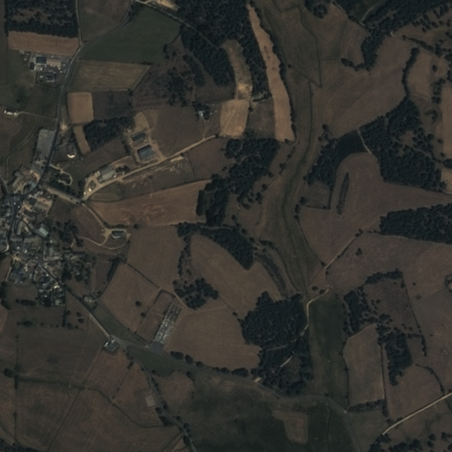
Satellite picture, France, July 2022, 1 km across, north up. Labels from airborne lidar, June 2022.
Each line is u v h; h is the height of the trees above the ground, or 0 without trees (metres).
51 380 0
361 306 14
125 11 0
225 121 0
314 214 0
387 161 19
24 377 0
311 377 14
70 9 15
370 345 0
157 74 0
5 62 0
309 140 0
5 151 0
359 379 0
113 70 0
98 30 0
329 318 0
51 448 0
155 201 0
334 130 0
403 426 0
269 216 0
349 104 0
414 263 0
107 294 0
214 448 0
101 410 0
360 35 0
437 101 10
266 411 0
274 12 0
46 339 0
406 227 15
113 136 15
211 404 0
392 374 12
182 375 0
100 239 0
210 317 0
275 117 0
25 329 0
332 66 0
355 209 0
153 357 0
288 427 0
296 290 0
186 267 0
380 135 16
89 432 0
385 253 0
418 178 18
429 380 0
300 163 0
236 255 14
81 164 0
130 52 0
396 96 0
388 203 0
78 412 0
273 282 0
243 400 0
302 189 0
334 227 0
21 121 0
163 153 0
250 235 0
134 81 0
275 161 0
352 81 0
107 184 0
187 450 0
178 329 0
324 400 0
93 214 0
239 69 0
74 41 0
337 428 0
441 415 0
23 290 0
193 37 8
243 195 16
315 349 0
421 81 0
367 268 0
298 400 0
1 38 0
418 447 20
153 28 0
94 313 0
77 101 0
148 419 0
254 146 19
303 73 0
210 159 0
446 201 0
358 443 0
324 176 15
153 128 0
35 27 14
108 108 0
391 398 0
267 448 0
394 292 0
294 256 0
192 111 0
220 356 0
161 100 0
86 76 0
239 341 0
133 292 0
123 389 0
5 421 0
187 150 0
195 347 0
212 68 19
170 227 0
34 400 0
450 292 7
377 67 0
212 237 14
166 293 0
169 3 0
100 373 0
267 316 17
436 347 0
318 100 0
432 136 14
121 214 0
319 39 0
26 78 0
